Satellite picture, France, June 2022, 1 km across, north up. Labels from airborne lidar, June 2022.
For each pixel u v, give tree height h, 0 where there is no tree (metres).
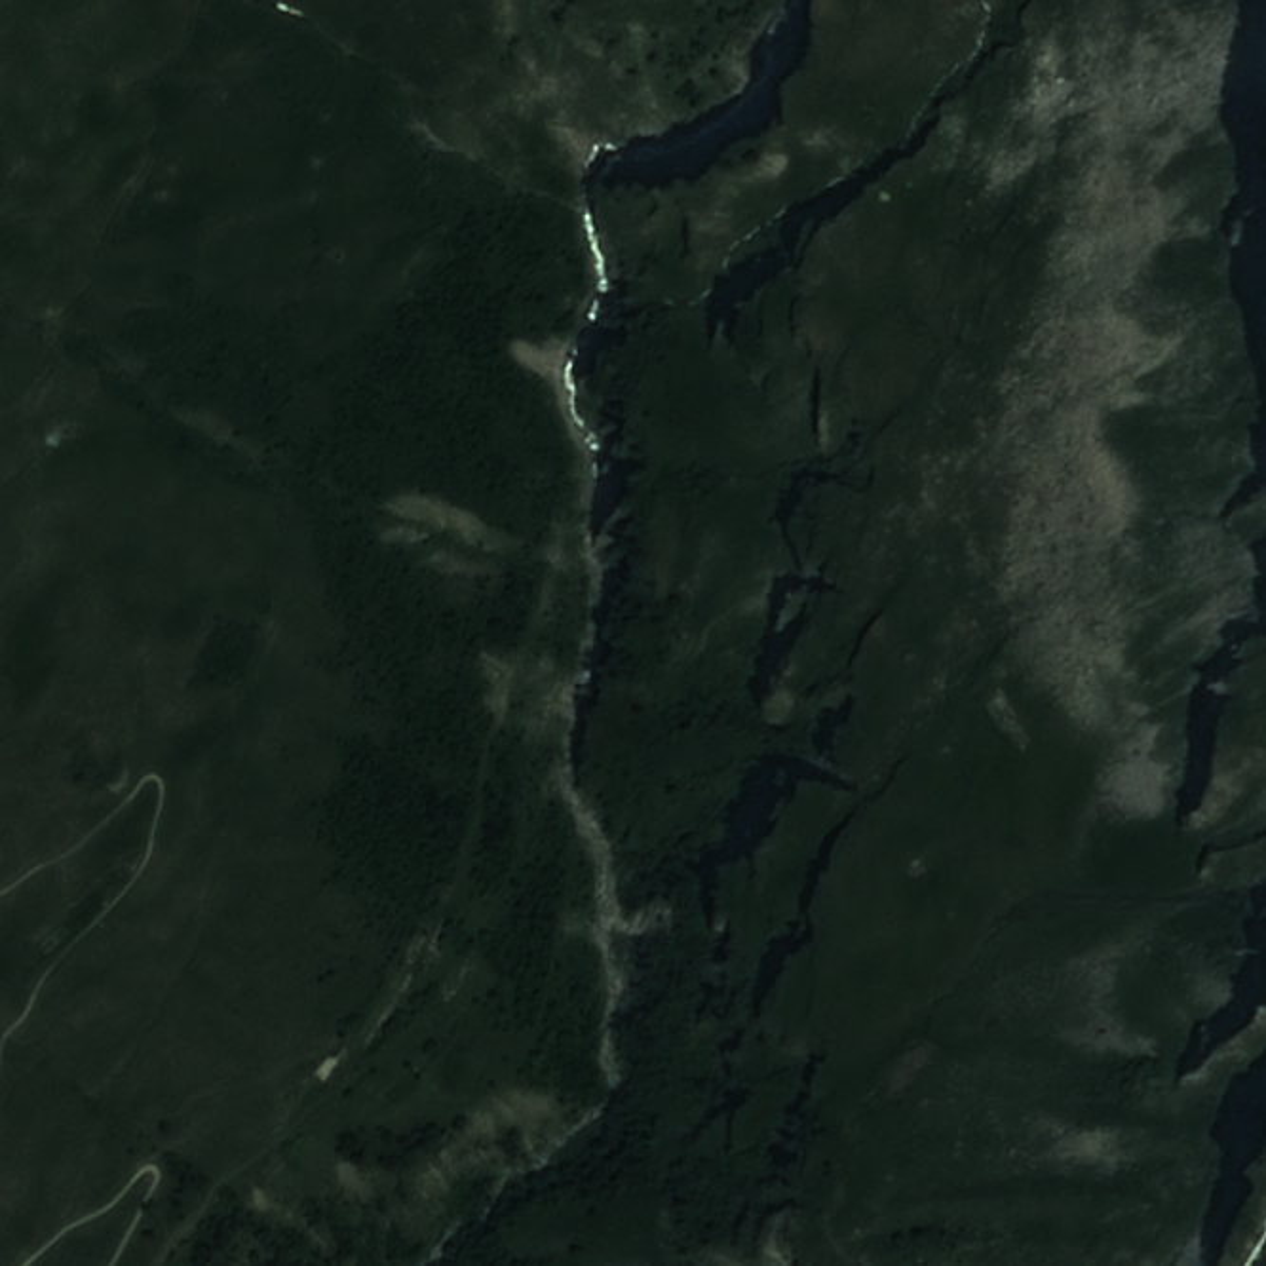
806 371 0
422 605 10
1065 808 0
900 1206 0
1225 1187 0
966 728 0
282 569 0
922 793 0
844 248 0
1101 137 0
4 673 0
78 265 0
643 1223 0
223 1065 0
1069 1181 0
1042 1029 0
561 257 7
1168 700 0
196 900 0
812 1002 0
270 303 0
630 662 10
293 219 0
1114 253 0
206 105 0
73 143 0
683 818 0
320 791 0
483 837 6
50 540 0
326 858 0
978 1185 0
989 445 0
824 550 0
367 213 0
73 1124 0
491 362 9
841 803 0
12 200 0
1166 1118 0
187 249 0
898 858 0
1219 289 0
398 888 6
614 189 19
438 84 0
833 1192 0
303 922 0
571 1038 14
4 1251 0
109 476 0
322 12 0
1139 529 0
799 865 0
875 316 0
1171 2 0
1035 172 0
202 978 0
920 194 0
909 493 0
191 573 0
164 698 0
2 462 0
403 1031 14
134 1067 0
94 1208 0
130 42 0
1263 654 0
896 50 0
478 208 6
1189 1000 0
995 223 0
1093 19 0
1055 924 0
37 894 0
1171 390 0
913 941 0
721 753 0
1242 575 0
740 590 0
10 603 0
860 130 0
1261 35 0
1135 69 0
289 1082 0
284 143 0
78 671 0
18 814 0
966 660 0
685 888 7
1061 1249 0
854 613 0
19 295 0
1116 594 0
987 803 0
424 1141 12
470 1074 0
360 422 8
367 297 0
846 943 0
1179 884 0
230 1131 0
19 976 0
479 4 0
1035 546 0
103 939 0
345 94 0
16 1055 0
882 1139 0
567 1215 0
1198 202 0
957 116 0
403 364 8
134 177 0
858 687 0
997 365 0
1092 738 0
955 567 0
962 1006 0
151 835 0
